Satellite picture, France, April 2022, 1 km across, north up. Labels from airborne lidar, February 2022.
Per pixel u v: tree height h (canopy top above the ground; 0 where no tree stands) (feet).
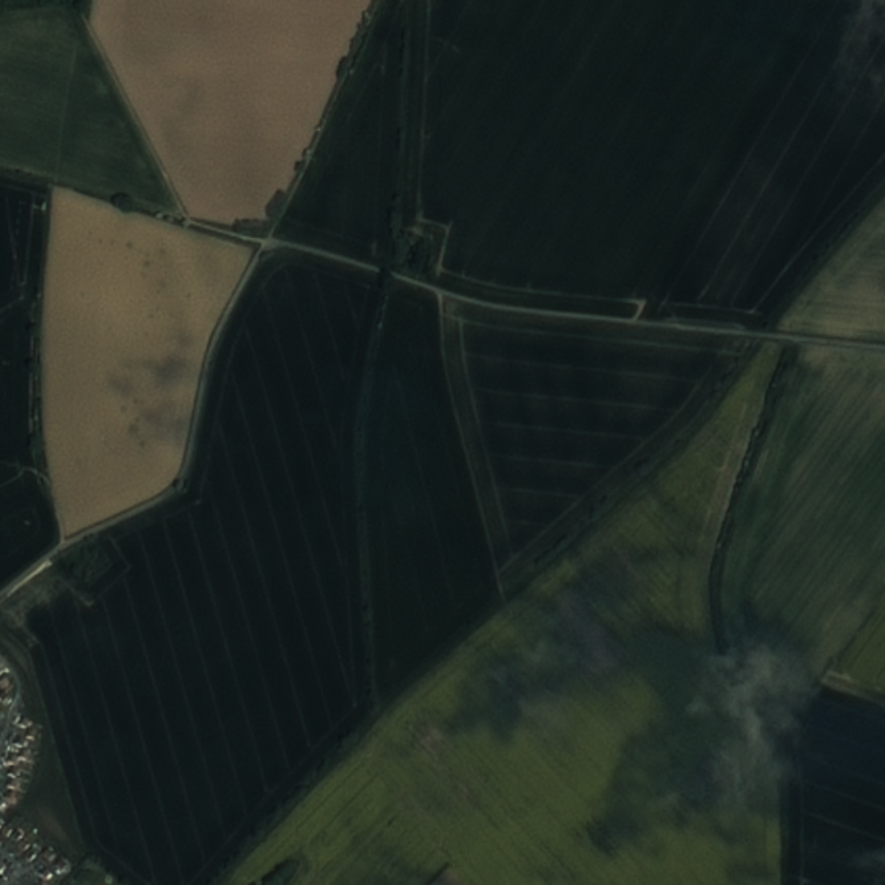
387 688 0
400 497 0
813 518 0
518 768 0
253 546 0
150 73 0
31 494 0
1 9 43
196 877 0
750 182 0
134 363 0
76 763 0
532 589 0
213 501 0
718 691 0
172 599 0
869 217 0
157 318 0
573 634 0
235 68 0
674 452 0
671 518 0
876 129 0
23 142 0
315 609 0
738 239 0
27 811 0
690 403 0
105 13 0
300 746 0
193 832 0
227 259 0
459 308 0
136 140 0
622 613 0
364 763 0
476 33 0
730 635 0
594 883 0
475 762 0
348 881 0
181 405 0
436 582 0
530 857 0
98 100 0
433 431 0
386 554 0
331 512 0
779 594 0
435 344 0
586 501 0
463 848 0
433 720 0
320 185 0
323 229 0
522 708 0
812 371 0
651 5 0
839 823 0
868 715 0
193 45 0
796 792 0
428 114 0
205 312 0
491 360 0
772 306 0
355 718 0
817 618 0
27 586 0
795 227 0
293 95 0
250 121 0
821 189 0
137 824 0
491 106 0
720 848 0
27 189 0
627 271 0
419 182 0
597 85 0
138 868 0
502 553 0
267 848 0
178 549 0
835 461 0
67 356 0
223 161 0
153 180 0
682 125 0
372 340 0
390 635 0
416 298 0
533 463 0
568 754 0
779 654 0
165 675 0
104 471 0
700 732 0
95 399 0
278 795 0
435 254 0
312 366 0
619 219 0
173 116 0
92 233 0
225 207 0
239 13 0
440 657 0
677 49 0
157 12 0
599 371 0
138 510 0
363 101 0
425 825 0
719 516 0
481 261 0
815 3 0
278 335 0
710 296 0
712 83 0
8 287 0
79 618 0
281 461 0
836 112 0
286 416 0
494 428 0
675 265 0
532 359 0
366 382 0
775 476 0
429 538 0
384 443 0
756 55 0
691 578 0
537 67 0
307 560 0
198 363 0
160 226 0
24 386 0
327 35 0
